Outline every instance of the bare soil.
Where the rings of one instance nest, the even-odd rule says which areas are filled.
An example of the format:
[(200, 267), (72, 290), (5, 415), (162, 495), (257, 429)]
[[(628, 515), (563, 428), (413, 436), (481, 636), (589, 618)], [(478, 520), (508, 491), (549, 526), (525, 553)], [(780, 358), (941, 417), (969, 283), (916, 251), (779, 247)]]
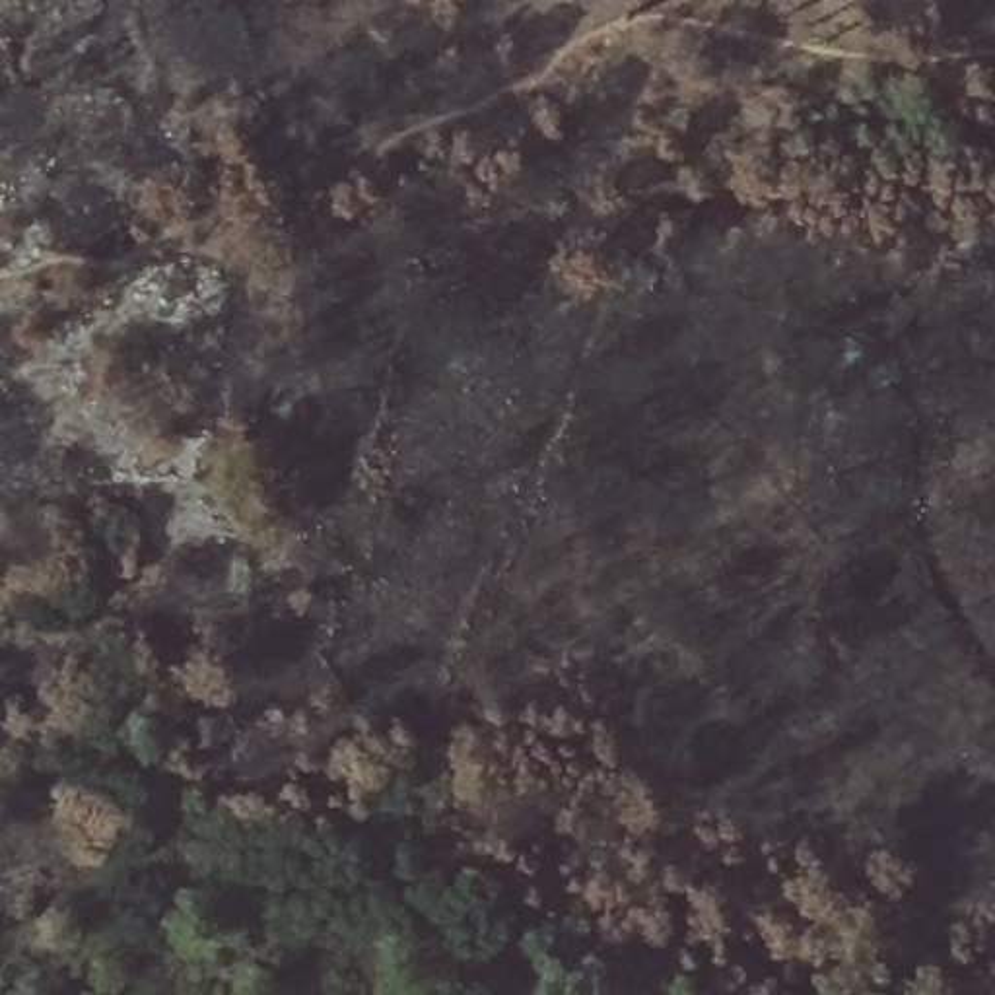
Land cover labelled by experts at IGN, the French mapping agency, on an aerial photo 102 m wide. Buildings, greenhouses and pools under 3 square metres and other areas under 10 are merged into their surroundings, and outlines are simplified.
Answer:
[(968, 268), (948, 272), (948, 280), (937, 292), (906, 295), (902, 303), (886, 303), (882, 295), (867, 292), (851, 272), (824, 272), (820, 264), (801, 264), (785, 249), (770, 253), (766, 280), (738, 280), (715, 257), (715, 249), (731, 225), (750, 222), (750, 206), (735, 198), (727, 167), (727, 148), (742, 144), (750, 132), (738, 101), (703, 97), (688, 117), (688, 128), (665, 120), (676, 97), (645, 105), (645, 120), (669, 136), (676, 152), (672, 159), (634, 152), (626, 159), (614, 144), (630, 136), (634, 97), (641, 93), (649, 74), (649, 66), (637, 54), (610, 66), (567, 66), (552, 86), (513, 93), (513, 82), (532, 74), (583, 23), (579, 4), (556, 4), (552, 12), (536, 12), (536, 0), (338, 0), (330, 16), (330, 35), (338, 39), (338, 47), (323, 51), (288, 93), (264, 101), (253, 117), (237, 117), (233, 128), (214, 128), (214, 136), (202, 148), (206, 155), (198, 155), (194, 167), (183, 167), (175, 175), (155, 171), (152, 179), (128, 179), (109, 159), (93, 159), (93, 179), (109, 187), (120, 202), (132, 202), (140, 210), (132, 214), (124, 237), (97, 237), (82, 257), (54, 253), (47, 225), (27, 225), (23, 245), (8, 241), (12, 222), (4, 218), (4, 210), (19, 210), (43, 190), (43, 175), (54, 171), (54, 155), (31, 155), (31, 163), (19, 171), (12, 163), (12, 152), (0, 148), (0, 575), (8, 575), (8, 567), (39, 564), (47, 556), (43, 509), (58, 509), (62, 498), (109, 482), (163, 486), (175, 498), (175, 513), (167, 521), (167, 548), (155, 560), (155, 567), (163, 571), (163, 587), (152, 591), (152, 614), (144, 626), (152, 661), (175, 669), (190, 657), (210, 657), (210, 665), (225, 669), (225, 680), (233, 676), (241, 684), (245, 676), (272, 676), (284, 665), (307, 657), (315, 669), (330, 669), (330, 692), (358, 715), (369, 715), (377, 738), (393, 727), (420, 727), (428, 735), (451, 738), (486, 707), (498, 707), (501, 696), (536, 688), (540, 676), (556, 676), (579, 657), (602, 672), (606, 692), (614, 700), (634, 700), (653, 715), (665, 750), (711, 754), (719, 785), (715, 797), (758, 808), (762, 820), (770, 820), (773, 828), (816, 832), (824, 843), (843, 843), (871, 820), (882, 820), (894, 832), (929, 828), (941, 840), (925, 867), (929, 890), (944, 890), (952, 902), (976, 894), (995, 898), (995, 253), (972, 245)]
[(27, 719), (47, 719), (47, 703), (35, 692), (35, 653), (19, 645), (0, 645), (0, 738), (8, 735), (8, 707), (19, 707)]
[(836, 58), (820, 58), (812, 70), (789, 74), (777, 58), (785, 19), (770, 4), (727, 4), (719, 8), (715, 27), (703, 39), (700, 70), (707, 78), (723, 70), (758, 66), (766, 89), (785, 89), (793, 97), (793, 117), (801, 132), (808, 132), (820, 120), (836, 120), (847, 109), (847, 101), (840, 101)]
[(19, 8), (12, 8), (8, 16), (35, 19), (23, 43), (23, 54), (31, 58), (66, 23), (97, 16), (101, 0), (19, 0)]
[(886, 23), (913, 47), (917, 66), (956, 58), (995, 62), (995, 0), (917, 0)]

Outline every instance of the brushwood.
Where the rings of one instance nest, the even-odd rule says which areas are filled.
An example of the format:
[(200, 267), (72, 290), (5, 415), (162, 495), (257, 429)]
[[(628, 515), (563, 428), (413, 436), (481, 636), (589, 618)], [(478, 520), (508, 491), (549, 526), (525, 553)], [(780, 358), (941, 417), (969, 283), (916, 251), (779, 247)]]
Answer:
[(486, 964), (501, 952), (505, 925), (486, 913), (486, 906), (474, 894), (474, 871), (466, 871), (474, 843), (486, 836), (486, 820), (470, 812), (470, 805), (482, 793), (482, 777), (474, 758), (459, 758), (451, 750), (451, 738), (428, 735), (420, 727), (393, 727), (377, 738), (369, 715), (358, 715), (330, 692), (330, 669), (315, 669), (307, 657), (284, 665), (272, 676), (245, 676), (241, 684), (233, 676), (225, 680), (225, 669), (210, 665), (210, 657), (190, 657), (175, 669), (152, 661), (144, 626), (152, 614), (152, 591), (163, 587), (163, 571), (155, 567), (155, 560), (167, 548), (167, 521), (175, 513), (175, 498), (163, 486), (109, 482), (62, 498), (58, 509), (43, 509), (47, 556), (39, 564), (8, 567), (8, 575), (0, 575), (0, 645), (19, 645), (35, 653), (35, 692), (47, 703), (47, 719), (27, 719), (19, 707), (8, 707), (8, 735), (0, 738), (0, 995), (257, 995), (257, 972), (268, 976), (292, 948), (315, 944), (377, 952), (377, 937), (393, 933), (400, 941), (424, 917), (439, 929), (443, 948), (463, 964)]

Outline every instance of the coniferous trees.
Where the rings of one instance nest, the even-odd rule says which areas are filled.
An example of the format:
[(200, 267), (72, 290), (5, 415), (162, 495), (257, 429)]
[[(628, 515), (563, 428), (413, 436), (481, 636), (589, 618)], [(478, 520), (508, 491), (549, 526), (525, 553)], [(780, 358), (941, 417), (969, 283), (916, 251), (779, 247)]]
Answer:
[(12, 222), (8, 241), (23, 245), (27, 225), (47, 225), (54, 253), (82, 257), (97, 237), (124, 237), (132, 214), (140, 210), (132, 202), (120, 202), (109, 187), (93, 179), (93, 159), (109, 159), (128, 179), (152, 179), (155, 171), (175, 175), (183, 167), (194, 167), (198, 155), (206, 155), (202, 148), (214, 136), (214, 128), (233, 128), (237, 117), (253, 117), (264, 101), (288, 93), (323, 51), (338, 47), (338, 39), (330, 35), (330, 16), (338, 0), (101, 0), (97, 16), (66, 23), (31, 58), (23, 54), (23, 43), (35, 19), (8, 16), (12, 8), (19, 8), (19, 0), (0, 0), (0, 148), (12, 152), (12, 163), (19, 171), (31, 163), (31, 155), (54, 155), (54, 171), (43, 175), (43, 190), (19, 210), (4, 210), (4, 218)]
[(486, 836), (474, 843), (466, 871), (474, 871), (474, 894), (486, 906), (486, 913), (505, 925), (501, 952), (486, 964), (463, 964), (443, 948), (439, 929), (424, 917), (400, 941), (393, 933), (377, 937), (377, 952), (315, 944), (292, 948), (268, 976), (257, 972), (257, 995), (995, 995), (995, 898), (976, 894), (952, 902), (944, 890), (929, 890), (925, 867), (941, 840), (929, 828), (894, 832), (882, 820), (871, 820), (843, 843), (824, 843), (816, 832), (773, 828), (770, 820), (762, 820), (758, 808), (715, 797), (719, 785), (711, 754), (665, 750), (653, 715), (634, 700), (614, 700), (606, 692), (602, 672), (579, 657), (556, 676), (540, 676), (536, 688), (501, 696), (498, 707), (486, 707), (451, 738), (451, 750), (459, 758), (474, 758), (482, 777), (482, 793), (470, 805), (470, 812), (486, 820)]
[[(556, 4), (579, 4), (583, 23), (532, 74), (513, 82), (513, 93), (552, 86), (567, 66), (610, 66), (637, 54), (649, 66), (649, 74), (641, 93), (634, 97), (630, 136), (614, 144), (626, 159), (634, 152), (672, 159), (676, 152), (669, 136), (645, 120), (645, 105), (676, 97), (665, 120), (688, 128), (688, 117), (703, 97), (738, 101), (750, 132), (742, 144), (727, 148), (727, 167), (735, 198), (750, 206), (750, 222), (731, 225), (715, 249), (715, 257), (738, 280), (766, 280), (770, 253), (785, 249), (801, 264), (820, 264), (824, 272), (851, 272), (867, 292), (882, 295), (886, 303), (902, 303), (906, 295), (937, 292), (948, 280), (948, 272), (968, 268), (972, 245), (995, 253), (995, 62), (956, 58), (917, 66), (913, 47), (886, 23), (917, 0), (536, 0), (536, 12), (552, 12)], [(793, 97), (785, 89), (766, 89), (758, 66), (723, 70), (707, 78), (700, 70), (703, 39), (715, 27), (719, 8), (727, 4), (770, 4), (785, 19), (777, 58), (789, 74), (812, 70), (820, 58), (836, 58), (840, 101), (847, 101), (847, 109), (836, 120), (820, 120), (808, 132), (801, 132), (793, 117)]]

